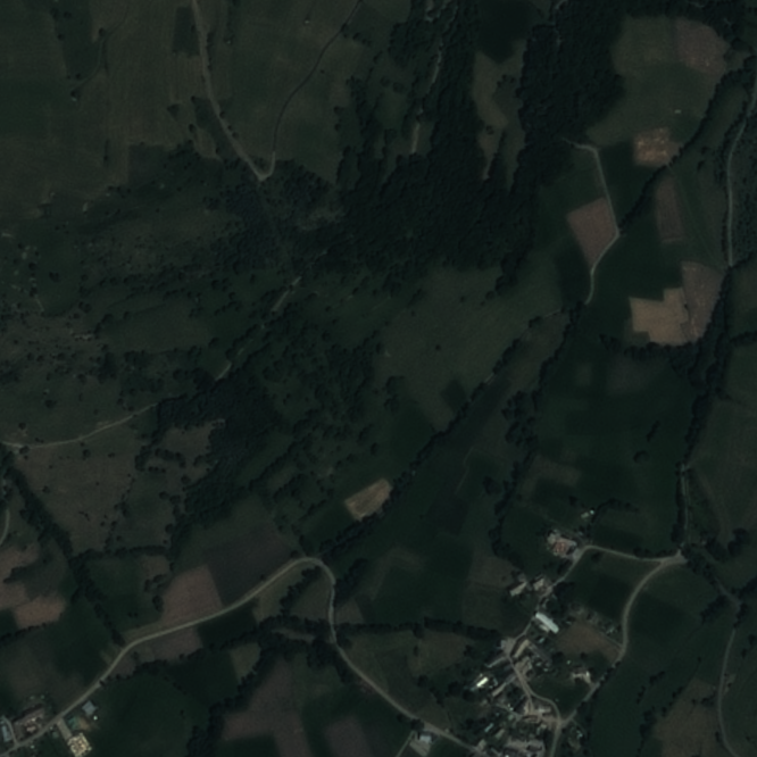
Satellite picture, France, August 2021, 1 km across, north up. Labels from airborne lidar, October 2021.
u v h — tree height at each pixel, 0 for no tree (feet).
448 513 0
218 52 0
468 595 0
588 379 0
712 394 40
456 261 53
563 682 0
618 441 0
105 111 0
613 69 57
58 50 0
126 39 0
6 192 0
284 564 0
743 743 0
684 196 0
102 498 0
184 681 0
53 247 0
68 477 0
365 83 19
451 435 49
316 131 0
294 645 50
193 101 31
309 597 0
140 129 0
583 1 49
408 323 0
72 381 0
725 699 0
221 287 42
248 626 0
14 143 0
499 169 75
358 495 0
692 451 30
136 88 0
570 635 0
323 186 33
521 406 47
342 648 41
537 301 0
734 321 34
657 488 0
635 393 0
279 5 0
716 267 0
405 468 0
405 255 35
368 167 46
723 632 0
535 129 66
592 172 0
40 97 0
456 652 0
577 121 47
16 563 0
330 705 0
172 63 0
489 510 0
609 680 26
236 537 0
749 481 0
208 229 0
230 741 0
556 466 0
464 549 0
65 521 0
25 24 0
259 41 0
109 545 25
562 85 61
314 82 0
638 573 0
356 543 71
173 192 0
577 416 0
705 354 61
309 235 25
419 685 27
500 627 0
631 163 0
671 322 0
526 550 0
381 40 0
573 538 0
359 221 52
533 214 73
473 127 78
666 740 0
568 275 0
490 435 0
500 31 0
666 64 0
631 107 0
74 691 0
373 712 0
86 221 0
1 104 0
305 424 37
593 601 0
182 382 34
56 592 0
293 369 36
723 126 0
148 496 0
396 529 0
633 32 0
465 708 0
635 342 0
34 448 0
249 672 0
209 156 0
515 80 26
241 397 60
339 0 0
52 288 0
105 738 0
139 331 0
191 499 34
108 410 0
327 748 0
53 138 0
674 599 0
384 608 0
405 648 0
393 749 0
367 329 0
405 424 0
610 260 0
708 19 40
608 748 0
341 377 34
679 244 0
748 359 0
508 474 0
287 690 0
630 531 0
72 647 0
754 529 0
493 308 0
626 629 0
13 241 0
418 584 0
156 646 0
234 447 46
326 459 0
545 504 0
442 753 0
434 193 43
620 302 0
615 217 0
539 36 45
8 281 0
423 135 0
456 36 39
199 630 0
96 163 0
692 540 0
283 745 0
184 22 0
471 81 40
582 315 38
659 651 0
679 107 0
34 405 0
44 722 0
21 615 0
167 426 41
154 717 0
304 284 26
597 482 0
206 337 0
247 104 0
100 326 23
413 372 0
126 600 0
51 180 0
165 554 40
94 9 0
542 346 0
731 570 0
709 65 0
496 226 73
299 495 46
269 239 34
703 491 0
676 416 0
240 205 40
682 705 0
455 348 0
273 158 0
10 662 0
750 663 0
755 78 30
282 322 55
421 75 32
